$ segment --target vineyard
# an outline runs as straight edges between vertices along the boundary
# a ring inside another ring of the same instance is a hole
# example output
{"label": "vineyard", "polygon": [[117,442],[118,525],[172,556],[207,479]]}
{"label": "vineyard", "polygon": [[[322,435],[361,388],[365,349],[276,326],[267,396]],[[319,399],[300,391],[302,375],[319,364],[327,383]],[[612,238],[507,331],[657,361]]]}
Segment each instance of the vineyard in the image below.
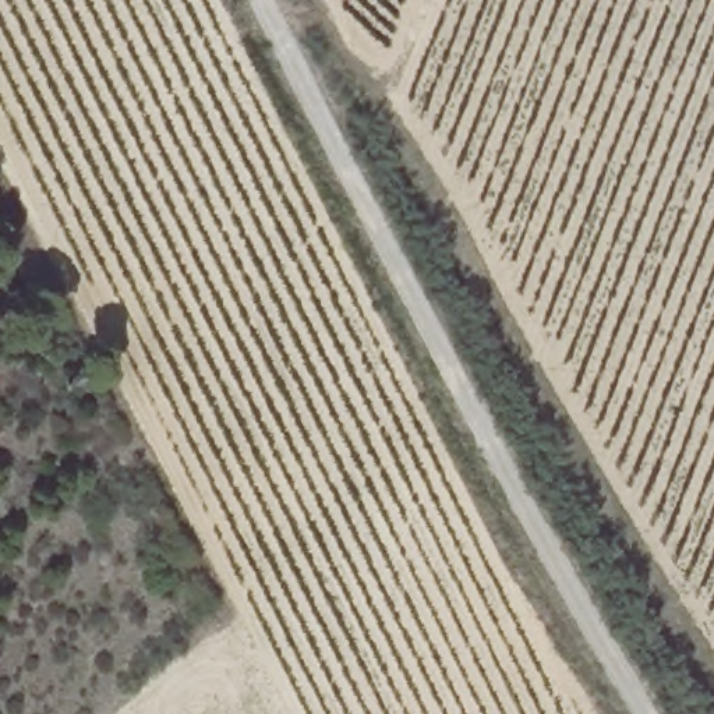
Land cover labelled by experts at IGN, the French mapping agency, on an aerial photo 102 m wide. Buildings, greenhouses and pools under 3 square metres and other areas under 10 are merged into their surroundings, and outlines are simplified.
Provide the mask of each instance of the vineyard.
{"label": "vineyard", "polygon": [[572,496],[583,510],[600,505],[608,516],[600,524],[600,533],[611,549],[622,552],[622,558],[616,558],[616,569],[633,569],[636,577],[650,575],[650,586],[655,591],[650,594],[647,608],[664,614],[664,644],[672,655],[683,658],[692,683],[711,697],[711,706],[703,714],[714,714],[714,0],[443,0],[410,86],[399,81],[388,92],[388,100],[371,100],[357,100],[349,109],[371,120],[385,103],[390,103],[393,114],[402,120],[402,128],[410,134],[402,142],[404,167],[399,167],[399,179],[404,184],[404,195],[421,215],[410,220],[404,229],[435,226],[452,206],[457,209],[460,223],[455,251],[460,262],[494,282],[494,304],[502,310],[505,335],[510,335],[513,343],[530,346],[538,396],[544,402],[561,404],[575,430],[588,443],[591,455],[586,460],[575,460],[575,466],[563,466],[563,480],[572,485]]}
{"label": "vineyard", "polygon": [[223,0],[0,0],[0,179],[20,192],[28,226],[42,245],[31,248],[25,259],[31,268],[42,268],[47,279],[53,279],[53,290],[73,293],[81,326],[84,332],[89,332],[86,349],[92,357],[120,357],[120,393],[139,430],[145,432],[148,449],[153,452],[156,463],[167,477],[170,491],[179,499],[187,522],[198,533],[206,561],[215,577],[220,580],[229,602],[231,602],[243,594],[248,597],[254,619],[259,622],[298,700],[298,708],[293,714],[591,714],[591,694],[575,678],[569,664],[555,653],[536,608],[508,572],[469,485],[463,483],[427,404],[418,396],[418,388],[404,365],[404,357],[396,351],[388,324],[374,310],[368,287],[346,251],[337,226],[326,212],[324,198],[318,195],[315,181],[307,173],[307,165],[301,162],[259,73],[254,70],[243,47],[237,25],[231,22],[231,14],[223,6]]}
{"label": "vineyard", "polygon": [[404,0],[343,0],[343,11],[385,47],[396,33]]}

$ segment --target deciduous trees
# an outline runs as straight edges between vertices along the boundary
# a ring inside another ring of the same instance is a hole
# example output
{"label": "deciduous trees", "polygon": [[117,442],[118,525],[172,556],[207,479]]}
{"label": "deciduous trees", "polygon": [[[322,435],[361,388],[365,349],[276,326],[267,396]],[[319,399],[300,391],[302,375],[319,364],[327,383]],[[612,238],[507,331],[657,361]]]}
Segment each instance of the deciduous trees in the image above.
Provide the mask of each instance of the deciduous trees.
{"label": "deciduous trees", "polygon": [[538,396],[530,346],[513,343],[510,335],[505,335],[502,310],[494,304],[494,282],[460,262],[455,251],[460,223],[457,209],[452,206],[435,226],[404,229],[410,220],[421,215],[404,195],[404,184],[399,179],[399,167],[404,167],[402,142],[410,134],[402,128],[402,120],[393,114],[390,103],[385,103],[371,120],[349,109],[346,123],[340,126],[346,142],[351,145],[354,162],[363,167],[363,176],[371,192],[377,195],[388,223],[393,226],[393,234],[404,257],[410,259],[413,273],[418,276],[430,304],[435,307],[463,368],[469,371],[477,396],[488,404],[488,413],[499,435],[510,446],[527,494],[538,502],[547,522],[563,541],[563,549],[575,561],[575,569],[583,586],[591,591],[591,600],[600,608],[611,636],[619,641],[630,664],[639,669],[641,681],[647,681],[647,689],[655,697],[653,714],[703,714],[711,706],[711,697],[692,683],[683,658],[672,655],[664,644],[664,614],[647,608],[650,594],[655,591],[650,586],[650,575],[636,577],[633,569],[616,569],[616,558],[622,558],[622,552],[611,549],[600,533],[600,524],[608,516],[600,505],[583,510],[572,496],[572,485],[563,480],[563,466],[575,466],[575,460],[586,460],[591,455],[588,443],[575,430],[561,404],[544,402]]}
{"label": "deciduous trees", "polygon": [[39,298],[39,290],[53,290],[53,279],[47,279],[42,268],[31,268],[25,259],[11,279],[11,284],[20,290],[25,301],[33,304]]}

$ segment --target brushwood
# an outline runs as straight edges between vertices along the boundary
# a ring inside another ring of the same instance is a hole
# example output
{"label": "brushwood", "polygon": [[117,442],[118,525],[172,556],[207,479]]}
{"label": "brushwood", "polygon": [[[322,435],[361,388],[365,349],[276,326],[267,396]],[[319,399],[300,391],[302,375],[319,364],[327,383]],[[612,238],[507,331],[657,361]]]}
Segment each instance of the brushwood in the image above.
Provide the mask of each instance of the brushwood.
{"label": "brushwood", "polygon": [[28,714],[20,692],[6,694],[0,689],[0,714]]}
{"label": "brushwood", "polygon": [[215,614],[229,602],[220,580],[215,577],[206,561],[198,533],[187,522],[179,499],[170,491],[167,477],[156,463],[148,460],[145,466],[120,466],[117,460],[117,446],[128,443],[139,430],[120,393],[67,390],[92,357],[86,349],[78,351],[78,360],[67,360],[64,368],[56,371],[47,368],[45,360],[33,351],[25,351],[20,357],[25,360],[25,368],[20,371],[22,379],[14,388],[0,385],[0,430],[8,421],[17,421],[17,435],[25,438],[45,418],[53,424],[56,435],[56,446],[39,457],[42,463],[39,477],[31,485],[31,502],[22,510],[11,508],[8,513],[0,513],[0,641],[6,636],[22,633],[28,616],[36,619],[39,633],[45,633],[47,622],[59,622],[53,644],[56,661],[67,661],[78,653],[78,625],[95,630],[100,639],[112,639],[120,625],[109,611],[109,583],[100,586],[95,605],[86,602],[73,608],[56,600],[56,588],[61,588],[61,583],[67,580],[70,566],[84,563],[89,558],[89,541],[64,544],[61,538],[42,530],[31,544],[28,555],[31,566],[36,566],[39,575],[31,577],[11,561],[20,558],[22,533],[31,519],[61,510],[81,513],[86,530],[95,538],[103,538],[112,530],[114,516],[131,516],[139,527],[137,563],[142,569],[145,588],[151,591],[148,600],[156,600],[162,608],[173,614],[162,625],[162,633],[145,639],[137,647],[131,667],[120,672],[117,686],[126,694],[131,694],[137,694],[148,683],[148,678],[159,675],[173,658],[187,655],[192,644],[195,633],[204,630],[215,619]]}
{"label": "brushwood", "polygon": [[148,602],[142,600],[142,594],[128,591],[123,597],[123,608],[131,614],[134,622],[145,622]]}
{"label": "brushwood", "polygon": [[8,678],[0,672],[0,686],[20,681],[25,672],[36,669],[39,653],[28,653],[25,661],[17,664],[17,669]]}

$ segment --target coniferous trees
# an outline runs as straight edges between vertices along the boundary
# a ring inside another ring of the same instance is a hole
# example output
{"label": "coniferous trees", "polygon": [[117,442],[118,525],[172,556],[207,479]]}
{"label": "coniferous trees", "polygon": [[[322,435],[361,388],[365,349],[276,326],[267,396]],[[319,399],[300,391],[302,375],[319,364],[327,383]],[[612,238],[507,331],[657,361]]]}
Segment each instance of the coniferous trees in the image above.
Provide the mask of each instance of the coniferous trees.
{"label": "coniferous trees", "polygon": [[20,357],[25,351],[33,351],[45,360],[47,368],[56,371],[64,368],[67,360],[78,360],[78,351],[86,349],[89,332],[84,332],[81,326],[73,293],[53,290],[39,290],[39,298],[33,304],[25,301],[20,301],[11,312],[0,315],[0,365]]}
{"label": "coniferous trees", "polygon": [[120,357],[92,357],[67,390],[120,393]]}

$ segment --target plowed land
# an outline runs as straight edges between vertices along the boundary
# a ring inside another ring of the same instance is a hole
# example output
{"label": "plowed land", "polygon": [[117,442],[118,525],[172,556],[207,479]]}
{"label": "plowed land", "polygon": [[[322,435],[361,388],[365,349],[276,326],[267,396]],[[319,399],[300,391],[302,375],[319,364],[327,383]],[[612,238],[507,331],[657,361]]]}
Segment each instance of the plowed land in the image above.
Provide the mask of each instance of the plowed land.
{"label": "plowed land", "polygon": [[343,0],[324,0],[329,22],[335,25],[343,47],[354,59],[360,59],[360,64],[354,67],[354,81],[365,84],[371,100],[388,100],[388,92],[399,81],[410,86],[443,0],[404,0],[396,33],[385,47],[343,11]]}
{"label": "plowed land", "polygon": [[293,714],[298,708],[298,700],[259,622],[254,619],[248,597],[243,594],[231,602],[231,622],[192,644],[187,655],[173,658],[159,675],[148,678],[148,683],[137,694],[131,694],[123,708],[126,714]]}

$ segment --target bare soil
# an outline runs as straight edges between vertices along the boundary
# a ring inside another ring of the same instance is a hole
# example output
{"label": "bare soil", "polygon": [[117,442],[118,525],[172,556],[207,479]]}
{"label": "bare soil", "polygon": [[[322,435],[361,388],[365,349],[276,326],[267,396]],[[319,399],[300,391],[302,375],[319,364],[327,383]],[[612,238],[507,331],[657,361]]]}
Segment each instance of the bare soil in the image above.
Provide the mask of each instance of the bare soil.
{"label": "bare soil", "polygon": [[145,466],[148,460],[156,463],[153,452],[148,449],[145,432],[139,430],[128,443],[117,446],[117,460],[120,466]]}
{"label": "bare soil", "polygon": [[231,622],[231,602],[229,602],[215,614],[215,619],[204,630],[195,633],[192,644]]}
{"label": "bare soil", "polygon": [[0,513],[8,513],[11,508],[22,510],[31,502],[31,485],[39,477],[42,463],[39,457],[56,446],[56,435],[53,424],[45,418],[25,438],[17,435],[17,421],[8,421],[0,430]]}
{"label": "bare soil", "polygon": [[[39,653],[36,669],[25,672],[20,681],[0,686],[0,689],[6,694],[20,692],[28,714],[126,714],[123,708],[131,694],[126,694],[117,686],[120,672],[131,667],[137,647],[145,639],[162,633],[162,625],[173,614],[162,608],[156,600],[148,600],[151,591],[145,588],[142,569],[137,563],[139,527],[131,516],[114,516],[112,530],[103,538],[95,538],[86,530],[81,513],[61,510],[31,519],[22,533],[20,558],[11,561],[31,577],[39,575],[36,566],[31,566],[28,555],[31,544],[42,530],[61,538],[64,544],[89,541],[89,558],[84,563],[70,566],[67,580],[61,583],[61,588],[56,588],[56,600],[73,608],[86,602],[95,605],[100,586],[109,583],[109,611],[120,625],[112,639],[100,639],[95,630],[78,625],[78,653],[67,661],[56,661],[53,644],[59,622],[47,622],[45,633],[39,633],[36,619],[28,616],[22,633],[6,636],[0,641],[0,672],[8,678],[17,669],[17,664],[25,661],[28,653]],[[142,594],[142,600],[148,602],[145,622],[134,622],[131,614],[123,608],[123,597],[128,591]]]}

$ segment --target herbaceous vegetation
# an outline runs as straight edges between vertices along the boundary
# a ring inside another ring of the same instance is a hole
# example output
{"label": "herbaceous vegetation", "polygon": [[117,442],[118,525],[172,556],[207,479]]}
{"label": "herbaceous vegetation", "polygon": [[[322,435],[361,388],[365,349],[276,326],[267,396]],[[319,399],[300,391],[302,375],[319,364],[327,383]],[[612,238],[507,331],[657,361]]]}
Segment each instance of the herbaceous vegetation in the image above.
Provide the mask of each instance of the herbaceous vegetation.
{"label": "herbaceous vegetation", "polygon": [[312,73],[324,81],[329,112],[340,126],[346,123],[349,109],[357,100],[371,100],[365,84],[354,81],[354,67],[360,64],[360,59],[354,59],[343,47],[335,25],[329,22],[324,0],[279,0],[287,28],[304,47]]}
{"label": "herbaceous vegetation", "polygon": [[11,279],[25,259],[31,248],[42,245],[28,226],[20,192],[0,179],[0,315],[11,312],[20,301],[25,301],[20,290],[11,284]]}
{"label": "herbaceous vegetation", "polygon": [[20,371],[25,368],[25,360],[20,357],[0,365],[0,385],[14,388],[22,379]]}
{"label": "herbaceous vegetation", "polygon": [[368,287],[374,310],[388,324],[396,351],[404,357],[404,365],[418,388],[418,396],[427,404],[463,483],[469,485],[508,572],[536,608],[555,653],[569,664],[575,678],[591,694],[591,714],[630,714],[622,694],[608,683],[605,667],[588,647],[577,622],[572,619],[563,597],[558,594],[555,580],[544,569],[533,541],[516,519],[499,480],[488,471],[488,463],[474,435],[457,413],[457,404],[446,390],[446,382],[435,360],[430,357],[407,315],[407,307],[396,296],[385,268],[379,265],[357,218],[357,209],[349,201],[343,184],[337,181],[318,134],[312,131],[287,81],[282,78],[282,64],[273,59],[273,45],[262,33],[248,0],[223,0],[223,6],[231,14],[231,22],[237,25],[243,47],[254,70],[259,73],[301,162],[307,165],[307,173],[315,181],[318,195],[324,198],[326,212],[337,226],[346,251]]}

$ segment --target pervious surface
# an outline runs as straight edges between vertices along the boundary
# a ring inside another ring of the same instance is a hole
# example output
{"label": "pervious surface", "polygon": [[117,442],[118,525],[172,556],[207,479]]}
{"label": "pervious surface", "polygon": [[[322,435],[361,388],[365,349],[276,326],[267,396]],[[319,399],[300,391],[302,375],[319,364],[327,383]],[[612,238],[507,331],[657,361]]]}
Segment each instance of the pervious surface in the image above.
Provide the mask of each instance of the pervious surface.
{"label": "pervious surface", "polygon": [[435,360],[446,382],[446,390],[457,404],[457,413],[474,435],[488,463],[488,471],[499,480],[516,519],[533,541],[544,569],[555,580],[558,594],[563,597],[572,619],[577,622],[588,647],[605,667],[608,683],[622,694],[630,714],[653,714],[655,697],[647,689],[647,681],[641,681],[639,669],[630,664],[619,641],[611,636],[600,608],[591,600],[591,591],[583,586],[575,569],[575,561],[563,549],[563,541],[547,522],[538,502],[527,494],[510,446],[499,435],[488,413],[488,404],[477,396],[469,371],[463,368],[435,307],[430,304],[418,276],[413,273],[410,259],[404,257],[393,234],[393,226],[388,223],[377,195],[371,192],[363,176],[363,167],[354,162],[351,145],[346,142],[340,126],[329,112],[324,81],[312,73],[304,47],[287,28],[279,0],[248,0],[262,33],[273,45],[273,59],[282,64],[282,78],[287,81],[312,131],[318,134],[337,181],[343,184],[349,201],[357,209],[357,218],[379,265],[385,268],[396,296],[407,307],[407,315],[430,357]]}

